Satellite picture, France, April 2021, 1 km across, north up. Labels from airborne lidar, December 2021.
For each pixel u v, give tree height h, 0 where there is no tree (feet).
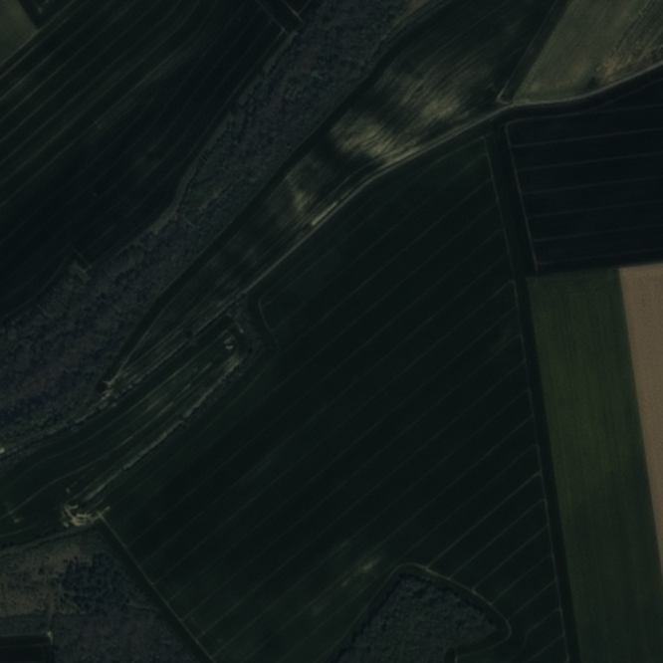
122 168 0
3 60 0
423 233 0
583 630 0
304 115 47
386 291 0
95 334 69
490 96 0
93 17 0
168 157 0
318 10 43
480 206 0
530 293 0
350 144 0
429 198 0
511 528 0
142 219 0
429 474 0
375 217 0
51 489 0
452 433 0
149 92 0
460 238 0
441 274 0
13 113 0
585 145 0
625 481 0
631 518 0
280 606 0
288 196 0
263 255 0
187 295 0
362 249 0
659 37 0
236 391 0
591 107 0
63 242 0
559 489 0
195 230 23
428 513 0
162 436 0
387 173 0
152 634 34
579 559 0
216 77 0
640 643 0
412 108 0
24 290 0
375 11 49
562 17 0
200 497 0
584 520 0
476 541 0
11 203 0
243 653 0
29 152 0
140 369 0
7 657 0
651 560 0
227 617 0
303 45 57
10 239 0
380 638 53
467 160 0
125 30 0
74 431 47
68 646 24
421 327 0
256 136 29
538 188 0
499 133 0
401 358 0
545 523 0
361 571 0
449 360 0
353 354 0
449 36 0
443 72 0
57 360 65
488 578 0
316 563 0
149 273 54
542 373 0
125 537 0
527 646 0
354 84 22
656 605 0
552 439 0
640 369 0
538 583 0
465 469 0
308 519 0
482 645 0
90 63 0
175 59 0
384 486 0
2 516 0
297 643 0
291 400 0
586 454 0
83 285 52
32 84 0
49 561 0
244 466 0
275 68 25
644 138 0
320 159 0
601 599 0
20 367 72
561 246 0
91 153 0
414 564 0
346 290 0
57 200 0
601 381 0
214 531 0
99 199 0
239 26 0
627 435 0
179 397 0
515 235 0
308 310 0
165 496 0
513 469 0
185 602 0
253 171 53
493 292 0
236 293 0
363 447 0
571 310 0
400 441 0
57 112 0
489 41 0
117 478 20
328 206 0
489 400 0
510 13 0
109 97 0
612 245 0
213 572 0
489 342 0
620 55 0
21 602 0
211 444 0
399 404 0
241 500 0
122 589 21
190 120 0
